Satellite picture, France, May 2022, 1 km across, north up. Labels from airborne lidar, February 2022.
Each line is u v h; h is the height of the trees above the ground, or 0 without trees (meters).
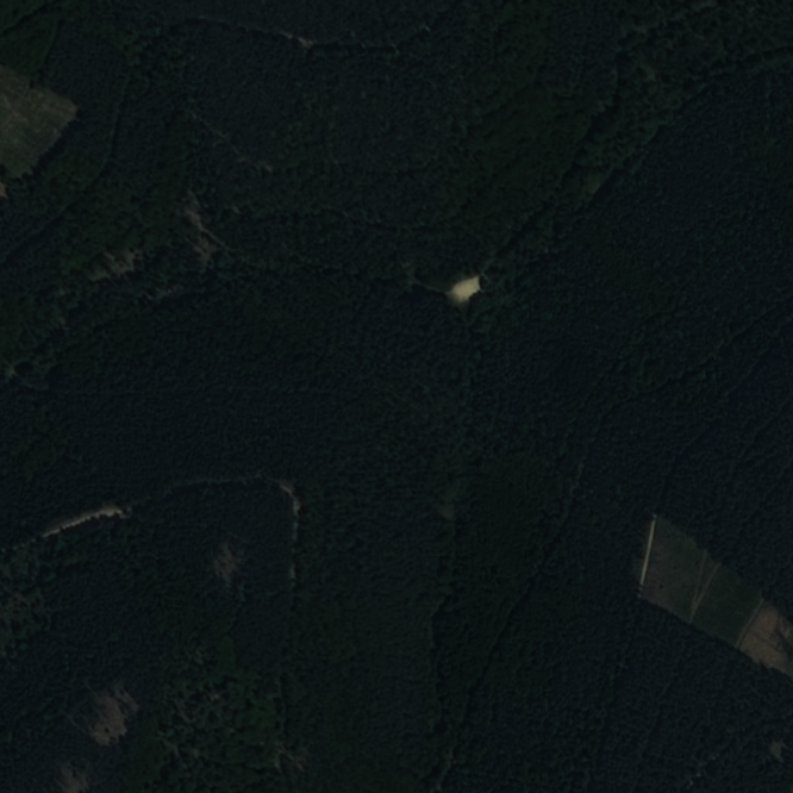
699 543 23
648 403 16
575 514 18
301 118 20
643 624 19
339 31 18
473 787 12
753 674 18
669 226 21
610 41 23
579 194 26
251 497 18
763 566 22
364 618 21
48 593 13
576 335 18
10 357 21
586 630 22
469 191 24
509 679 21
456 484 17
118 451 22
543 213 29
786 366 23
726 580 0
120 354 21
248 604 24
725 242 18
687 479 28
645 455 18
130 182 25
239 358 21
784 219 21
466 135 22
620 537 18
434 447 24
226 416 18
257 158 17
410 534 26
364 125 18
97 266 23
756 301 20
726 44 26
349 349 22
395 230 18
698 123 20
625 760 22
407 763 24
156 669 20
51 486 8
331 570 18
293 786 22
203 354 23
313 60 21
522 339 14
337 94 17
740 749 14
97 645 17
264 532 20
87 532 13
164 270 28
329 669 27
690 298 23
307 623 21
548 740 15
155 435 19
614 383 19
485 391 9
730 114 18
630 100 24
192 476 20
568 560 21
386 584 22
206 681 12
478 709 18
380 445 26
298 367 21
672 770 24
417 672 20
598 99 20
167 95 24
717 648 21
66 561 13
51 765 19
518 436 15
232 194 14
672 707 23
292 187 20
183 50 24
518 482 22
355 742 25
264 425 14
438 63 19
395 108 18
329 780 24
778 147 17
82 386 25
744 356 19
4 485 13
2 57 21
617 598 21
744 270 23
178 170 34
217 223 25
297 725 22
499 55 22
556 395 13
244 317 20
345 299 17
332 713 21
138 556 18
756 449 26
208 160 17
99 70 25
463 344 21
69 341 19
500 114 22
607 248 19
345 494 22
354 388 18
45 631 10
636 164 14
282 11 16
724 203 16
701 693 22
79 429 18
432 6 22
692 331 18
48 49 23
